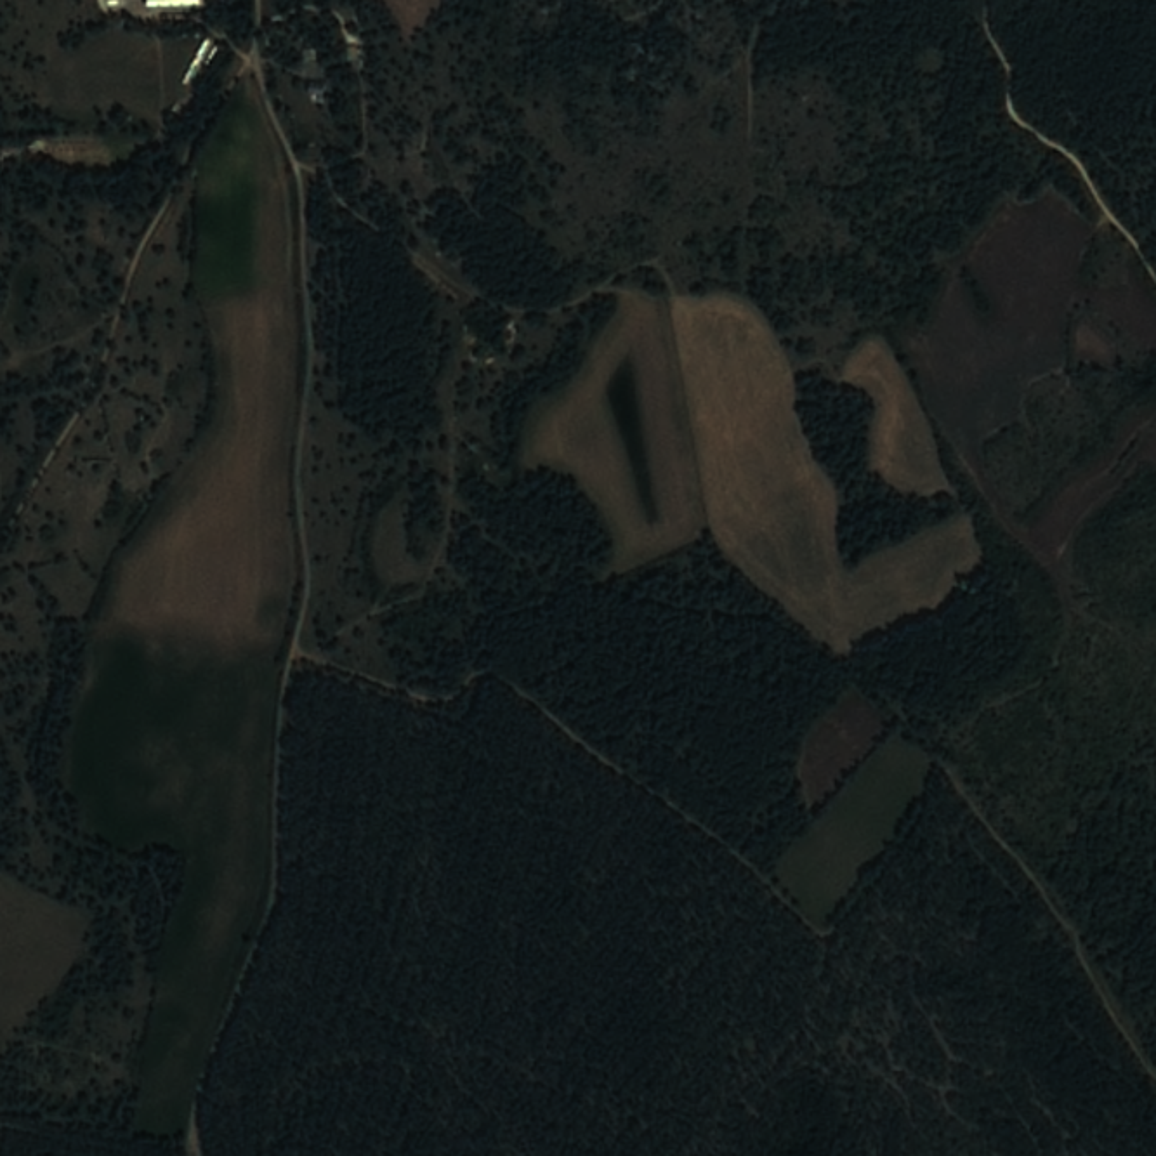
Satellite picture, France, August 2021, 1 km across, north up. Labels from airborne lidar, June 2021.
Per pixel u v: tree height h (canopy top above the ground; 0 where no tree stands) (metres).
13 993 0
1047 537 0
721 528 0
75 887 8
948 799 15
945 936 12
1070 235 0
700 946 11
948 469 8
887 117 8
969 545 0
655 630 13
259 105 0
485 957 14
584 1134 12
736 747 13
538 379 9
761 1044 14
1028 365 0
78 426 0
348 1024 13
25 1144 12
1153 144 7
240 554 0
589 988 14
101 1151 10
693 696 15
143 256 0
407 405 12
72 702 10
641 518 0
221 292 0
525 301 11
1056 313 0
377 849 10
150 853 9
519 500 7
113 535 0
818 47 7
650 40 10
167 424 0
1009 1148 14
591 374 0
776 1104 17
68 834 9
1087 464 0
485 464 0
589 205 0
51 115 11
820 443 8
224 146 0
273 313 0
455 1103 10
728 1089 15
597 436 0
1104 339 0
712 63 7
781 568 0
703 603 10
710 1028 13
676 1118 12
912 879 15
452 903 11
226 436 0
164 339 0
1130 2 18
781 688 13
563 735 13
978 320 0
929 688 14
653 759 10
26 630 0
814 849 0
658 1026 12
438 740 14
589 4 6
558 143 0
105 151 0
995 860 15
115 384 9
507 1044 14
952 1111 9
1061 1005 20
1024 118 9
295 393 0
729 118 6
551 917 13
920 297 9
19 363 0
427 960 12
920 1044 12
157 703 0
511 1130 14
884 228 7
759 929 10
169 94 0
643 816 13
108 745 0
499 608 13
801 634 8
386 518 0
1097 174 9
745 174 0
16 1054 7
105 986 11
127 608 0
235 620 0
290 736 14
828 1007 10
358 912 14
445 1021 12
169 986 0
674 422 0
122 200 13
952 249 9
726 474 0
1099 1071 18
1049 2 13
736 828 12
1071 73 13
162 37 11
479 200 9
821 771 0
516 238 11
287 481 0
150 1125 0
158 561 0
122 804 0
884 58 10
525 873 14
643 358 0
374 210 8
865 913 11
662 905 12
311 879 16
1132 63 12
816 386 10
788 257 6
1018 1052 14
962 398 0
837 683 12
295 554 0
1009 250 0
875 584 0
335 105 10
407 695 8
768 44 11
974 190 11
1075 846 12
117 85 0
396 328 12
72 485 0
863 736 0
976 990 13
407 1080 15
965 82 11
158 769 0
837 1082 13
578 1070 13
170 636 0
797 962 14
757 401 0
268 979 16
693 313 0
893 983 14
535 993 16
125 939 9
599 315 12
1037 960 18
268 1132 14
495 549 10
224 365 0
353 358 10
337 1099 13
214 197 0
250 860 0
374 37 6
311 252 0
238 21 14
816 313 7
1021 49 13
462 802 15
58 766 9
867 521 11
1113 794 6
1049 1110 12
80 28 7
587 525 10
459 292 0
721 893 11
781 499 0
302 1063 15
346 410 8
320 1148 12
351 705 15
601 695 9
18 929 0
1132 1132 12
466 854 16
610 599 16
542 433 0
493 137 9
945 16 10
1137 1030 6
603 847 14
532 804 13
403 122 7
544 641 15
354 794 13
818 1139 15
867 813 0
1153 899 15
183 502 0
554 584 6
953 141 11
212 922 0
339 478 0
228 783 0
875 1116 10
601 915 16
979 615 13
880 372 0
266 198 0
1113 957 12
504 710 14
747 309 0
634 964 15
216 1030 0
